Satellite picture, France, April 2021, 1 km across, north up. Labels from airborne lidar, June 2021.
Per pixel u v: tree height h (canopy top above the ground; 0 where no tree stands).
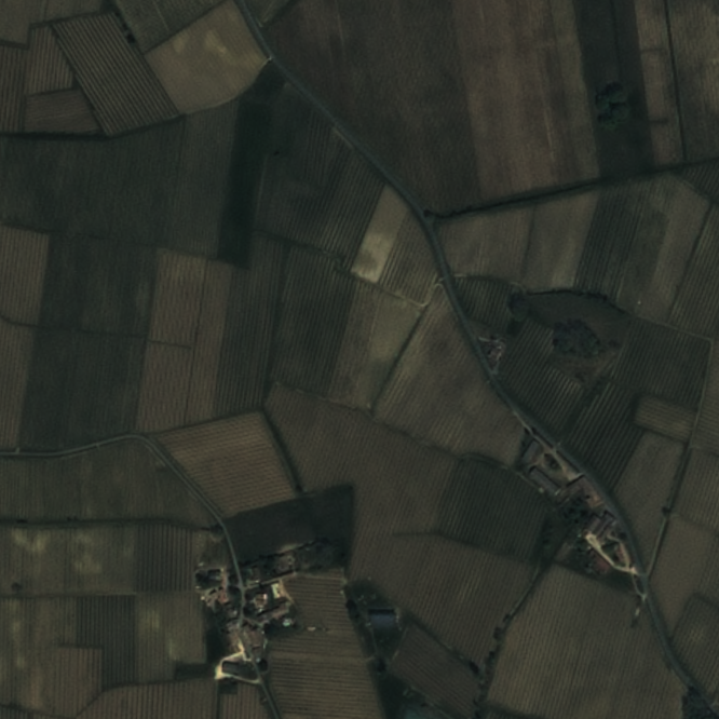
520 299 15
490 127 0
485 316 0
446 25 0
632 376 0
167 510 0
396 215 0
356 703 0
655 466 0
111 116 0
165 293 0
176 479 0
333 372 0
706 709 19
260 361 0
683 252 0
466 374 0
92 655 0
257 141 0
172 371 0
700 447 0
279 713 0
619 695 0
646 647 0
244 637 0
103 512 0
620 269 0
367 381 0
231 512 0
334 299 0
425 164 0
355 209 0
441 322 0
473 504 0
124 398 0
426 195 0
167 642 0
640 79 0
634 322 0
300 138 0
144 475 0
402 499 0
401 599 0
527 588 0
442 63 0
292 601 0
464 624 0
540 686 0
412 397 0
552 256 0
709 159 0
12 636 0
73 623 0
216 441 0
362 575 0
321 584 0
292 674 0
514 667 0
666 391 0
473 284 0
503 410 0
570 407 0
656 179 0
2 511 0
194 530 0
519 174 0
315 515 0
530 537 0
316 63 0
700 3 0
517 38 0
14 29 0
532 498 0
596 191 0
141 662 0
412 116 0
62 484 0
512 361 0
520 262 0
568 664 0
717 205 0
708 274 0
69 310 0
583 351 11
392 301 0
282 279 0
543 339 0
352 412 0
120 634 0
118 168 0
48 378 0
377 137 0
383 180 0
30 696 0
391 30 0
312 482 0
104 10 0
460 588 0
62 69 0
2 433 0
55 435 0
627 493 0
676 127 0
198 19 0
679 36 0
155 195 0
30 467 0
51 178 0
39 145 0
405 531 0
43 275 0
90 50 0
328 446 0
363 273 0
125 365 0
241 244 0
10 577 0
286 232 0
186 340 0
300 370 0
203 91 0
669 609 0
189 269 0
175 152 0
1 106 0
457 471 0
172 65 0
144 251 0
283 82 0
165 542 0
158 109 0
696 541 0
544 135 0
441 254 0
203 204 0
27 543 0
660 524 0
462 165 0
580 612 0
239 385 0
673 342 0
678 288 0
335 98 0
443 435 0
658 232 0
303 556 0
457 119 0
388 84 0
